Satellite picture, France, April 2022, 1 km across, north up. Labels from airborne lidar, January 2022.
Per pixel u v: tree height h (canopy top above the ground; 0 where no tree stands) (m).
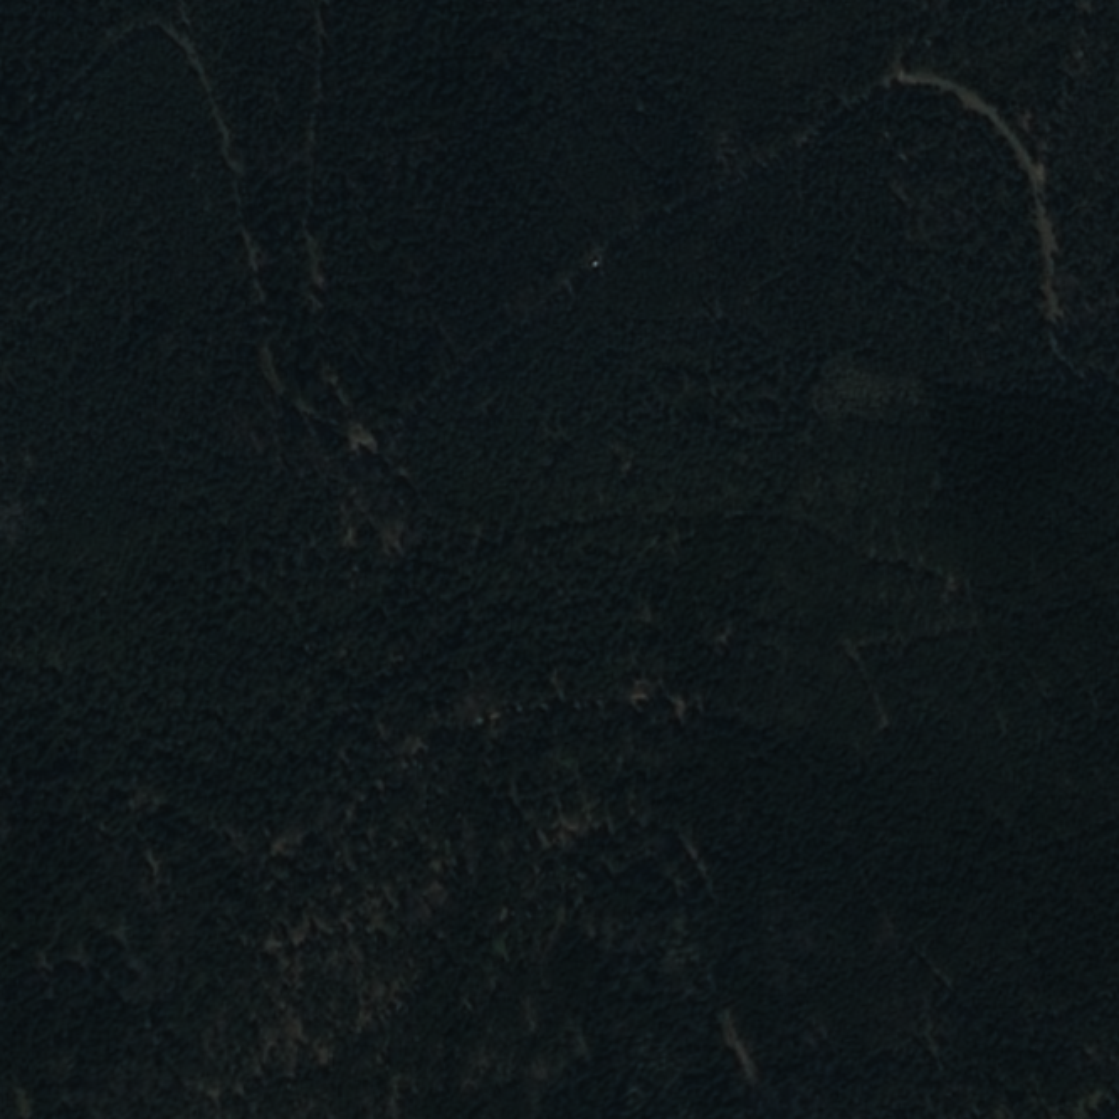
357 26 33
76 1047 30
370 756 29
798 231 20
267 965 21
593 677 29
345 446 26
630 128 19
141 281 23
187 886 17
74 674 13
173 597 21
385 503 31
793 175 17
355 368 37
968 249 17
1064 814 24
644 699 0
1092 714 20
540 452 18
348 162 25
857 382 19
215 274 20
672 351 19
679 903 28
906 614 15
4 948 16
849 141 15
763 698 17
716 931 26
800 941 19
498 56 22
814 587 19
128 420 20
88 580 19
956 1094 24
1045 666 23
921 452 15
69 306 20
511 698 19
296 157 33
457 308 20
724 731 26
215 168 23
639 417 18
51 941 27
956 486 17
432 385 33
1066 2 18
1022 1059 30
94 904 26
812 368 21
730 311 16
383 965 27
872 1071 22
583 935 15
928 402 18
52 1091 31
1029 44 22
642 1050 24
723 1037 21
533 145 20
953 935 20
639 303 12
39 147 23
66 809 27
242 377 24
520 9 23
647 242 17
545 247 19
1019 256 21
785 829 22
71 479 21
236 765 12
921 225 20
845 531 17
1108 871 22
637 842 30
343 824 26
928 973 19
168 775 24
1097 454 19
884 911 20
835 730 21
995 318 20
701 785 20
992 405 29
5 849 24
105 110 16
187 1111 23
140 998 27
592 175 17
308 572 15
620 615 21
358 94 29
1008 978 20
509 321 21
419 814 36
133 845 26
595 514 25
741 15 14
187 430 18
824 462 17
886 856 18
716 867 26
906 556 14
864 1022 17
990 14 18
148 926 19
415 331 23
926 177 20
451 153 20
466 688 28
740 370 21
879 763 20
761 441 16
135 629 23
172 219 22
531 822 32
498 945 39
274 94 22
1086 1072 27
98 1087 33
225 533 14
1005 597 18
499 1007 23
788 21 14
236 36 20
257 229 29
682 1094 24
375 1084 25
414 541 25
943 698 14
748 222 15
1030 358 24
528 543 25
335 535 21
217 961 22
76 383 19
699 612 9
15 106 33
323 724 25
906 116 16
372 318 26
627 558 26
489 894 31
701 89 19
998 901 18
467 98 25
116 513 20
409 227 24
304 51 29
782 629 19
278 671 30
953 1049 20
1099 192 20
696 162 26
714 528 12
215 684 25
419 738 24
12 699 23
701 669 11
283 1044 16
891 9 18
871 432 12
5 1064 35
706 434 15
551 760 30
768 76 14
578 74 21
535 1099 22
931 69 8
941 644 17
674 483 25
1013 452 27
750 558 14
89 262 15
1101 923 22
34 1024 36
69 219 16
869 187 18
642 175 18
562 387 16
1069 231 15
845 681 18
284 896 21
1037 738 15
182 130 19
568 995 16
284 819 23
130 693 9
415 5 24
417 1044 29
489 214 24
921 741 25
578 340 17
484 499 17
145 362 25
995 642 21
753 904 23
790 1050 21
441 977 31
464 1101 21
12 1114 26
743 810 22
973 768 23
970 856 16
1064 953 23
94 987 28
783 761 24
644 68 19
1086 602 24
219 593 10
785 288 19
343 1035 23
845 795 24
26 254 23
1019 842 22
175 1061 20
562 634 25
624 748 30
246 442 22
